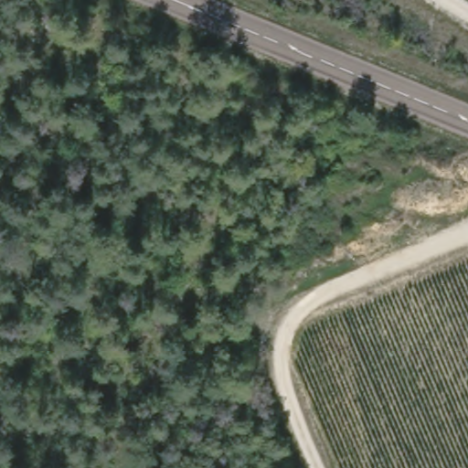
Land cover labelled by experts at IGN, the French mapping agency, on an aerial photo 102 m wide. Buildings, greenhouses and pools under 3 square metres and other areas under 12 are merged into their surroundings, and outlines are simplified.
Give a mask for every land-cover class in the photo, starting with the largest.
<instances>
[{"label":"coniferous trees","instance_id":"1","mask_svg":"<svg viewBox=\"0 0 468 468\"><path fill-rule=\"evenodd\" d=\"M468 152V139L455 133L439 132L428 122L420 124L415 117L409 115L406 104H397L391 110L375 108V82L369 75L355 80L349 95H346L335 82L313 77L305 62L291 68L274 64L271 60H260L249 53L247 46L232 42L225 35H212L208 29H199L190 22L179 24L166 13L165 2H159L154 7H143L133 4L130 0H0V468H309L289 428V413L283 408L282 397L272 378L274 338L269 333L261 331L256 325V318L263 314L265 296L272 292V289L282 287L285 271H298L314 258L331 256L338 245H347L355 241L362 234V229L373 223H384L389 208L397 201V190L424 179H435L437 175L431 174V166L437 163L439 166H448L455 155Z\"/></svg>","mask_w":468,"mask_h":468},{"label":"vineyard","instance_id":"2","mask_svg":"<svg viewBox=\"0 0 468 468\"><path fill-rule=\"evenodd\" d=\"M292 388L302 409L307 430L311 433V439L320 453L325 468H468V245L448 250L444 254L433 256L430 260L422 261L415 267L393 272L380 280L338 294L335 298L320 303L296 329L291 346Z\"/></svg>","mask_w":468,"mask_h":468},{"label":"herbaceous vegetation","instance_id":"3","mask_svg":"<svg viewBox=\"0 0 468 468\"><path fill-rule=\"evenodd\" d=\"M232 9L239 7L250 15L296 31L303 37L313 38L325 46L340 49L347 55L371 62L378 68L388 69L400 77L415 80L431 90L442 91L459 101L468 102V77L459 79L450 71L433 68L420 58L409 57L402 48L386 53V48H380L377 42H369L358 37L356 29L351 27L353 24L349 18H329V0H229ZM393 4L400 7V15L404 11H413L415 15H419L422 22H428L431 37L439 38L444 44L450 38L457 37V49L463 51L468 58V29L457 18L448 15L442 9H437L426 0H393ZM431 174L437 175L435 179H424L397 190V201L389 208L384 223H373L362 229V234L355 241L347 245H338L331 256L314 258L298 271H285L282 287L272 289V292L265 296L263 314L256 318V325L261 331L269 333L274 338L282 324L283 316L291 309L292 303L298 302L305 292L313 291L314 287L347 272L356 271L364 265L384 260L397 250L417 245L422 239L435 236L441 230L468 219V152L455 155L448 166H439L437 163L431 166Z\"/></svg>","mask_w":468,"mask_h":468},{"label":"impervious surface","instance_id":"4","mask_svg":"<svg viewBox=\"0 0 468 468\"><path fill-rule=\"evenodd\" d=\"M133 4L143 7H154L159 2H165L166 13L179 24L190 22L199 29H208L212 35H225L232 42L247 46L249 53L260 60H271L274 64L291 68L305 62L313 77L335 82L346 95H349L355 80L369 75L375 82V108L391 110L397 104H406L409 115L415 117L420 124L428 122L439 132L455 133L468 139V102L459 101L442 91L431 90L415 80L400 77L388 69L378 68L371 62L347 55L340 49L325 46L313 38L303 37L296 31L250 15L239 7L232 9L229 0H130Z\"/></svg>","mask_w":468,"mask_h":468},{"label":"pervious surface","instance_id":"5","mask_svg":"<svg viewBox=\"0 0 468 468\"><path fill-rule=\"evenodd\" d=\"M437 9H442L448 15L457 18L468 29V0H426ZM468 245V219L441 230L435 236L422 239L417 245L397 250L384 260L364 265L356 271L347 272L314 287L313 291L305 292L298 302L292 303L291 309L283 316L282 324L274 338L272 378L282 397L283 408L289 413V428L309 468H325L320 453L311 439V433L307 430L302 409L292 388L291 346L296 329L320 303L335 298L338 294L380 280L393 272L415 267L422 261L430 260L433 256L444 254L448 250Z\"/></svg>","mask_w":468,"mask_h":468},{"label":"brushwood","instance_id":"6","mask_svg":"<svg viewBox=\"0 0 468 468\"><path fill-rule=\"evenodd\" d=\"M329 18H349L353 24L351 27L356 29L358 37L369 42H377L380 48H386V53L402 48L409 57L420 58L433 68L450 71L459 79L468 77V58L463 51L457 49V37L450 38L444 44L439 38L431 37L428 22H422L419 15H415L413 11H404L400 15V7L393 4V0H329Z\"/></svg>","mask_w":468,"mask_h":468}]
</instances>
